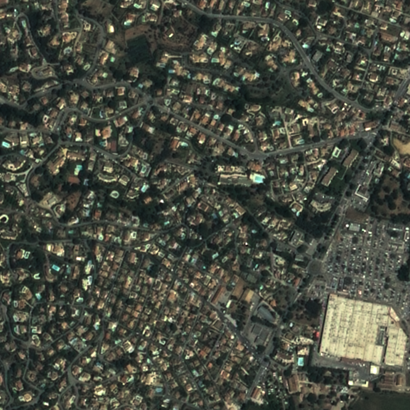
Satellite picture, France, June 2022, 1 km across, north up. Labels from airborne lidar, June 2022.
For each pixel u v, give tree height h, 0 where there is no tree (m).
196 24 7
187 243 10
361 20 8
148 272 8
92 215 13
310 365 9
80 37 0
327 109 9
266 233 17
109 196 12
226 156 8
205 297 8
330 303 0
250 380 13
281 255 14
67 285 10
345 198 0
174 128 11
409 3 12
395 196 18
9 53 8
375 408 0
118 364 12
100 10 0
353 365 0
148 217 20
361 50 13
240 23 8
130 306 14
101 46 10
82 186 12
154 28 11
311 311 19
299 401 0
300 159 12
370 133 0
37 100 6
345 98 0
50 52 10
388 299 0
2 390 8
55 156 7
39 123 15
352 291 0
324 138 14
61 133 6
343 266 11
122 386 8
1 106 15
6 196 8
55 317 9
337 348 0
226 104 16
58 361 0
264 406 8
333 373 11
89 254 7
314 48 11
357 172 8
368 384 0
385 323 0
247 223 9
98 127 19
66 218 19
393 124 0
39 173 18
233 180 0
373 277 0
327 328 0
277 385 7
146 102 0
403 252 0
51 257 7
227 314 0
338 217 17
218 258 7
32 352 7
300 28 10
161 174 15
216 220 8
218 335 6
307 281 17
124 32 0
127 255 11
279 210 16
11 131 0
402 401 0
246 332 0
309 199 6
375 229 0
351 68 14
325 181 0
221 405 6
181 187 0
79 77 15
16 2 7
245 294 0
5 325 10
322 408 0
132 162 0
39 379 9
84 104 0
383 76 7
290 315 13
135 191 9
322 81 0
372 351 0
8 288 5
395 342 0
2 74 13
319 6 9
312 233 13
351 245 0
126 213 10
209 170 0
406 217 15
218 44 7
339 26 6
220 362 12
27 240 7
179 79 10
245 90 14
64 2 0
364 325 0
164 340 8
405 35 0
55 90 11
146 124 8
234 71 7
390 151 16
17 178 10
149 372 9
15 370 9
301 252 13
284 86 6
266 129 9
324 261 0
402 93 0
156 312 7
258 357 0
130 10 8
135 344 7
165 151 12
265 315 0
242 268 14
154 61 10
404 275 11
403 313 0
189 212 8
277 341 18
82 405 7
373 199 17
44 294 12
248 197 15
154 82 6
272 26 11
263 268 0
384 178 15
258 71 9
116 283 10
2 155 9
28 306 7
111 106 13
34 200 12
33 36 9
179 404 8
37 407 10
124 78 11
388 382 0
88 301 8
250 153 0
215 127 11
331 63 0
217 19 8
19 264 12
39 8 0
